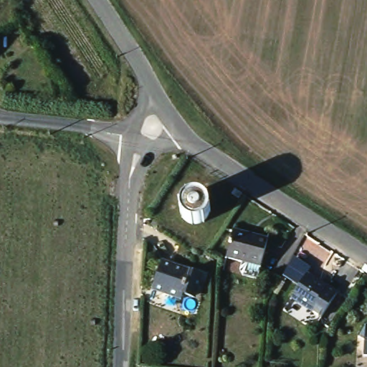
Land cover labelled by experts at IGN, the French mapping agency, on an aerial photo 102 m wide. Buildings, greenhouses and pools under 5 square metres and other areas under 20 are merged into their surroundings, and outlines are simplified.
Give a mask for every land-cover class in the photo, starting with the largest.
<instances>
[{"label":"agricultural land","instance_id":"1","mask_svg":"<svg viewBox=\"0 0 367 367\"><path fill-rule=\"evenodd\" d=\"M86 0H34L32 9L43 19L42 32H53L50 39L44 43V49L49 53L53 65L62 70L70 86L73 95L80 100L105 105L109 110V118L106 120H120L133 112L138 106L135 93H139V83L133 75L132 67L126 62L125 54L106 39L102 20L96 16L92 7L85 6ZM126 7L138 22L146 27L153 42L161 47L178 75L195 90L196 95L201 97L206 108L214 113L225 129L242 145L247 146L249 153H252L259 162L268 161L282 153H294L300 158L302 165L301 175L294 182L305 194L341 212L354 225L367 232V0H128ZM7 125H0V367H100L103 335L99 334L97 324L100 318H105L106 265L103 261L108 252V245L105 239L99 241L102 227L96 225V219L102 216L100 206L103 198L108 194L116 196L119 195V165L116 152L103 140L92 139L100 153V162L95 159L87 163L70 162L67 153L56 152L54 149L44 151L40 159H36V149L33 146L26 148L19 143L1 140Z\"/></svg>","mask_w":367,"mask_h":367},{"label":"herbaceous vegetation","instance_id":"2","mask_svg":"<svg viewBox=\"0 0 367 367\"><path fill-rule=\"evenodd\" d=\"M123 24L128 27L129 33L135 37L140 49L151 62L169 99L192 129L206 142L221 149L231 158L237 159L245 169L259 162L252 153H249L247 146L242 145L225 129L214 113L206 108L201 97L196 95L195 90L178 75L161 47L153 42L146 27L138 22L126 7L128 0H110ZM14 75L17 79L24 80L19 95H39V90H34L37 83H44L47 79L56 83L60 93L66 92L70 86L62 70L53 65L49 53L44 49L32 33L26 34V39L19 36L11 47H7L6 52L0 57V79ZM1 140L19 143L26 148L33 146L36 149V159H40L44 151L54 149L56 152L67 153L70 162L87 163L95 159L100 162V153L92 139L83 133L69 130L7 125ZM148 173L145 176V189L139 191V194L143 195V202L139 214L143 218H149L148 224L151 227L158 228L163 234L178 242L179 249L176 252L189 261H215V265L221 268L222 258L227 257L224 242L228 237L232 238V229L241 222L257 225L271 234L281 235L284 239L290 237L291 231L295 232L297 224L291 219L285 218L271 206L264 204L261 199H255L249 191L241 194L238 189L232 188V183L228 181V176L224 172L199 161L191 153L176 148L169 152L156 153L153 161L145 166ZM188 182H201L208 188L209 214L199 224L186 222L176 202V188ZM280 191L367 245V232L354 225L341 212L305 194L294 182L282 186ZM297 284L291 275L282 274L281 281L275 287L274 294H277V300L272 327L280 331L284 344L281 348L274 345L270 357L272 360H278L281 354H284L288 358L284 366L275 367H356V351L345 356L333 357V350L337 341L344 345L353 340L357 341L358 335H366L367 325V304L364 302L360 307L364 314L363 320L357 321L354 311L345 318L354 331L344 334L340 330L338 335H330L325 350L315 344L313 328L307 323L302 324L291 314L282 313L284 301L290 298L294 285ZM211 292L206 291L205 294H201V301L196 307V314L201 320L196 323L195 330H189L185 337L181 334L183 314L173 313L163 307V304H153L151 301L149 338L161 347L162 366L140 364V330L133 334L129 367H208ZM235 313L229 315L227 320L224 345L234 354V360L229 361L225 356L219 357V363L224 367H237L245 358L261 350L262 344L261 334H257V328L261 327L247 314L249 305L257 302L244 291L231 295Z\"/></svg>","mask_w":367,"mask_h":367},{"label":"impervious surface","instance_id":"3","mask_svg":"<svg viewBox=\"0 0 367 367\"><path fill-rule=\"evenodd\" d=\"M85 6L92 7L96 16L102 20L106 39L125 54L126 62L132 67L133 75L139 83V93H135L138 106L133 112L120 120H106L63 118L0 108V125H7L69 130L83 133L92 139L103 140L116 152L119 165V195L116 196L119 199V222L113 345L119 348L113 350L112 367H129L133 334L130 331V311L126 310V301L130 300L133 249H143L146 237L142 227L133 222V215L139 214L143 202V195L139 194V191L145 189V176L148 173L145 166L153 161L156 153L169 152L176 148L191 153L199 161L224 172L228 176V181L232 183V188L238 189L241 194L249 191L255 199H261L264 204L271 206L285 218L291 219L297 224L295 232L294 242L278 261V267L288 264L292 257H300L302 245L307 238H313L321 247L341 258L334 274L344 275L348 287H356L357 272L367 274V245L280 191L282 186L294 182L301 175L302 165L300 158L294 153H282L268 161L259 162L245 169L237 159L231 158L221 149L206 142L192 129L169 99L151 62L140 49L135 37L129 33L128 27L123 24L110 0H86ZM259 270V265L252 262L238 265L232 261L231 272H241L242 277L257 278ZM151 301L153 304H163V307L173 313L183 314H189L182 305L185 298H192L196 307L201 301V294H189L185 288L181 292V297L173 300L162 292L161 285L152 284L148 290V294ZM282 313L291 314L302 324L307 323L318 320L321 314L315 310H308L307 307H298L290 298L284 301ZM356 351V367H367V325L366 335H358L357 341Z\"/></svg>","mask_w":367,"mask_h":367},{"label":"brushwood","instance_id":"4","mask_svg":"<svg viewBox=\"0 0 367 367\"><path fill-rule=\"evenodd\" d=\"M23 6L14 10V14L19 17L6 26H0V33L7 37V47H11L19 36L26 39V34L32 33L44 49V43L50 39L53 32H42L43 19L32 9L34 0H20ZM34 90H39V95H19L7 96L0 85V108L63 118L106 120L109 118V110L105 105L80 100L73 95L70 86L66 92L60 93L56 83L47 79L44 83H37ZM102 216L96 219V225L102 227L99 241L105 239L108 245V252L103 261L106 265L105 318H100L97 324L99 334L103 335L100 367H112L113 350L119 348L113 345L119 222V199L116 196L108 194L103 198L100 206ZM158 261L151 252L143 249L142 285L148 290L152 284L153 275L159 272L156 270ZM232 261L227 257L222 258L221 268L215 265L214 278L208 281L206 291L211 292L208 367H224L219 363V357L225 356L229 361L234 360V354L224 345L227 320L229 315L235 313L231 295L244 291L257 302L249 305L247 314L261 327L257 328V334H261L262 344L261 350L245 358L237 367H275L284 366L288 358L284 354H281L278 360H272L270 357L274 345L281 348L284 344L280 331L272 327L277 300V294H274L275 287L265 280V272L259 270L257 278L242 277L241 272H231ZM356 287H348L347 297L340 308L335 313L325 308L321 314L318 320L307 323L313 328L315 344L325 350L330 335H338L340 330L344 334L354 331L345 318L354 311L357 321L363 320L364 314L360 307L364 302L367 304V274L357 272ZM140 330V364L162 366L161 347L149 338L151 301L148 294L142 295L138 301ZM201 320L196 314H183L181 334L185 337L189 330H195L196 323ZM357 341L353 340L344 345L337 341L333 350V357L345 356L356 351Z\"/></svg>","mask_w":367,"mask_h":367},{"label":"building","instance_id":"5","mask_svg":"<svg viewBox=\"0 0 367 367\"><path fill-rule=\"evenodd\" d=\"M7 47V37L0 33V57L6 52ZM176 202L186 222L199 224L209 214L208 188L201 182H188L176 188ZM295 232L291 231L290 237L284 239L281 235L271 234L257 225L241 222L232 229V238L228 237L224 242L227 257L232 261L238 265L252 262L259 265V270L265 272V280L275 287L281 281L282 274L291 275L297 284L294 285L290 298L298 307H307L308 310H315L321 314L325 308L335 313L340 308L347 297L348 287L344 275L334 274L341 258L321 247L313 238H307L302 245L300 257H292L288 264L278 267V261L294 242ZM143 249L151 252L158 261L156 270L159 272L153 275L152 284L161 285L162 292L173 300L181 297V292L185 288L189 294H205L206 291L208 281L214 278L215 265V261H189L176 252L169 242L163 241L158 245V238L146 237Z\"/></svg>","mask_w":367,"mask_h":367},{"label":"pervious surface","instance_id":"6","mask_svg":"<svg viewBox=\"0 0 367 367\"><path fill-rule=\"evenodd\" d=\"M149 218H143L139 214L133 215V222L142 227L146 237L158 238V245L163 241L169 242L176 252L179 249L178 242L163 234L158 228L151 227L148 224ZM143 249H133L130 300L126 301V310L130 311V331L133 334L140 330L138 301L142 295L148 294V290L142 285Z\"/></svg>","mask_w":367,"mask_h":367},{"label":"deciduous trees","instance_id":"7","mask_svg":"<svg viewBox=\"0 0 367 367\"><path fill-rule=\"evenodd\" d=\"M23 6L20 0H0V26H6L19 17L14 14V10ZM0 85L7 96L19 95L24 80L17 79L14 75L0 79Z\"/></svg>","mask_w":367,"mask_h":367},{"label":"swimming pool","instance_id":"8","mask_svg":"<svg viewBox=\"0 0 367 367\"><path fill-rule=\"evenodd\" d=\"M182 305L189 314H196V307L192 298H185Z\"/></svg>","mask_w":367,"mask_h":367}]
</instances>
